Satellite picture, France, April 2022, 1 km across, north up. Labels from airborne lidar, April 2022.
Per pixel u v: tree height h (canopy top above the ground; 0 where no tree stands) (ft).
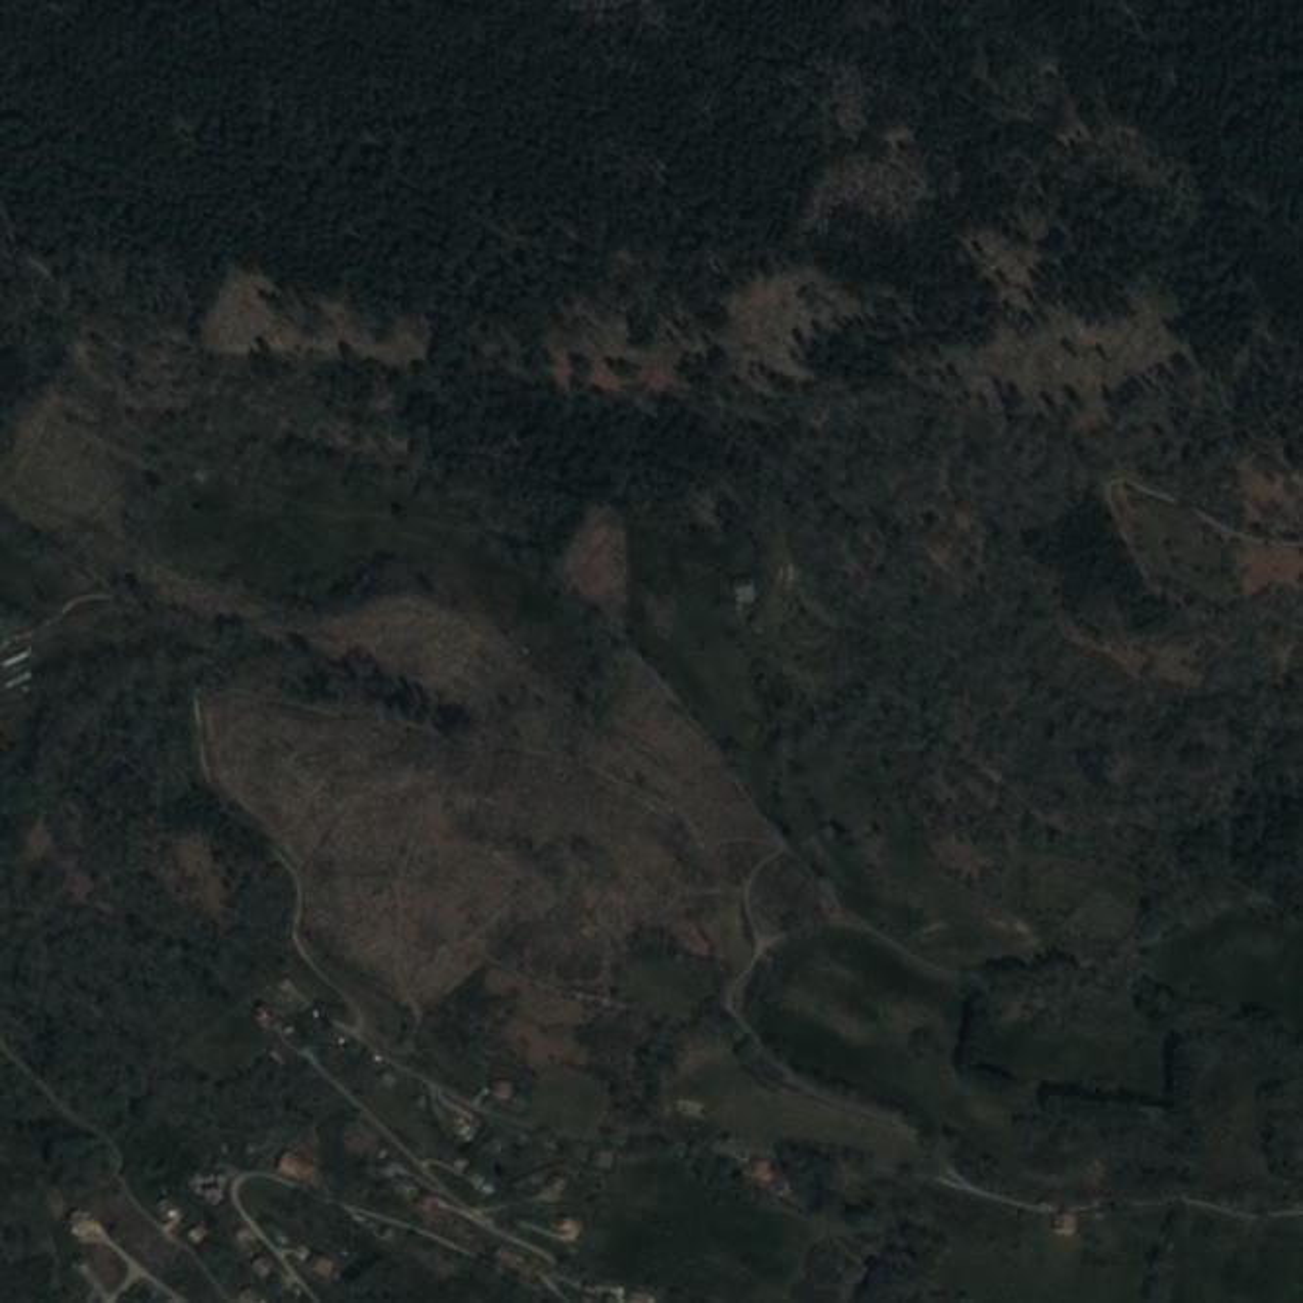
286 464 71
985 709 60
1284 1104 81
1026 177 71
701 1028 54
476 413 91
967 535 27
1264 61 92
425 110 78
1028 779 30
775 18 79
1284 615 49
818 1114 0
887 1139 0
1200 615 42
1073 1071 0
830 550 57
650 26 72
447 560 0
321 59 73
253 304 0
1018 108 50
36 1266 28
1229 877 63
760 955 0
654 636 0
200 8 52
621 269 69
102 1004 51
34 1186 0
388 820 0
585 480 60
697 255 57
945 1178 0
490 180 83
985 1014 75
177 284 79
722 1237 0
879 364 76
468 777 0
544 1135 32
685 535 71
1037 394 0
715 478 66
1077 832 65
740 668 0
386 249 92
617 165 73
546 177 92
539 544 54
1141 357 0
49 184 94
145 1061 52
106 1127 26
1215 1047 58
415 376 41
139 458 0
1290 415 69
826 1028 0
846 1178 65
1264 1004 0
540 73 65
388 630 0
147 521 97
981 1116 0
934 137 53
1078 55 55
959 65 48
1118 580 62
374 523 0
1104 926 0
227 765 0
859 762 27
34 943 56
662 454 90
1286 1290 0
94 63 86
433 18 65
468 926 0
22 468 0
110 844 24
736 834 0
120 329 59
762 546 67
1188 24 52
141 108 80
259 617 0
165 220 103
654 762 0
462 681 0
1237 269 34
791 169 64
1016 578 54
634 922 0
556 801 0
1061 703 60
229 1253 26
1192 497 40
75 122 82
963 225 59
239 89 80
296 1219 65
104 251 47
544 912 0
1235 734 65
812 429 26
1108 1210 22
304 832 0
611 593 0
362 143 91
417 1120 0
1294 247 41
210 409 45
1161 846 68
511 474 80
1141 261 81
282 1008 0
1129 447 50
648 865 0
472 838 0
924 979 0
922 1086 0
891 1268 51
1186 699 32
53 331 53
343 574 0
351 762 0
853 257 70
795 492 71
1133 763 73
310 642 0
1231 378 90
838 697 0
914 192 61
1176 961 0
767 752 0
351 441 23
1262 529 22
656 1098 60
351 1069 52
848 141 57
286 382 20
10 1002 49
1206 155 74
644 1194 0
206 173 73
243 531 0
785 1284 0
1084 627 42
